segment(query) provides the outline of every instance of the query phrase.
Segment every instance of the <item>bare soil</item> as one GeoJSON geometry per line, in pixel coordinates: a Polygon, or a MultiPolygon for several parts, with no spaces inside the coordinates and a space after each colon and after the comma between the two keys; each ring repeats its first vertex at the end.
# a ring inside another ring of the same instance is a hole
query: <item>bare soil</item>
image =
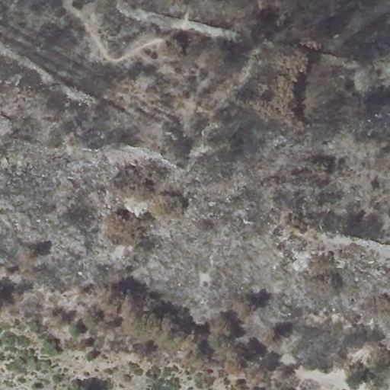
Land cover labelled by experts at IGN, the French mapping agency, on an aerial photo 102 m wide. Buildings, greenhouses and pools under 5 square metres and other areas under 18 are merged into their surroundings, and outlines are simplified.
{"type": "Polygon", "coordinates": [[[242,321],[244,335],[235,340],[238,343],[248,343],[256,338],[267,347],[268,352],[279,353],[282,358],[276,370],[282,372],[283,376],[296,372],[299,379],[312,379],[317,382],[320,390],[390,390],[390,0],[0,0],[0,309],[5,308],[14,303],[12,294],[21,296],[40,283],[38,291],[44,296],[43,306],[53,309],[64,308],[67,311],[84,314],[85,309],[79,306],[76,300],[79,291],[93,283],[97,265],[113,264],[114,268],[120,270],[125,265],[128,267],[129,261],[133,259],[133,245],[116,245],[108,241],[105,236],[107,216],[117,209],[126,209],[134,215],[149,212],[155,221],[142,222],[142,227],[148,230],[148,236],[161,236],[161,250],[152,248],[148,265],[134,270],[133,277],[114,282],[111,291],[123,291],[126,296],[131,297],[131,312],[136,320],[142,317],[168,318],[172,323],[168,335],[171,340],[175,337],[186,340],[187,335],[193,335],[193,343],[198,346],[198,358],[209,360],[213,356],[212,347],[209,346],[210,328],[206,321],[209,318],[216,320],[221,312],[227,312],[229,294],[232,296],[267,291],[271,292],[267,306],[257,308],[253,315],[242,321]],[[312,49],[317,49],[318,46],[329,49],[328,55],[321,55],[320,62],[312,64],[311,76],[306,79],[303,111],[308,119],[305,123],[297,120],[296,116],[292,117],[291,125],[274,119],[264,122],[253,108],[247,110],[227,101],[235,93],[241,101],[270,102],[274,96],[273,91],[257,93],[257,84],[276,84],[279,78],[274,73],[276,69],[271,69],[271,58],[294,55],[297,49],[289,47],[288,41],[294,40],[297,35],[302,40],[300,43],[305,46],[312,49]]]}

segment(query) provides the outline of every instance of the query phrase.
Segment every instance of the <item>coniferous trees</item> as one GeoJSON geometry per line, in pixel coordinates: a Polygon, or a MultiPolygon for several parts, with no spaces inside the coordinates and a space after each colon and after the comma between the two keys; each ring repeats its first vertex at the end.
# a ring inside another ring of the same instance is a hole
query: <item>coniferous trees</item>
{"type": "Polygon", "coordinates": [[[256,338],[248,343],[238,343],[235,340],[244,335],[242,321],[253,315],[257,308],[267,306],[271,292],[267,291],[232,296],[229,294],[227,312],[221,312],[216,320],[209,318],[206,321],[210,328],[209,346],[212,347],[213,356],[219,363],[227,364],[229,369],[235,370],[236,373],[247,369],[251,375],[257,376],[262,370],[276,370],[282,358],[279,353],[268,352],[267,347],[256,338]]]}
{"type": "Polygon", "coordinates": [[[46,341],[59,353],[66,350],[82,350],[88,361],[99,356],[105,361],[111,352],[146,356],[157,350],[158,335],[168,335],[172,323],[168,318],[142,317],[136,320],[131,312],[131,297],[126,296],[123,291],[111,291],[114,282],[133,277],[134,270],[148,265],[152,248],[161,250],[161,236],[148,236],[148,230],[142,227],[142,222],[155,221],[149,212],[134,215],[126,209],[117,209],[107,216],[105,236],[108,241],[116,245],[133,245],[133,259],[129,261],[128,267],[125,265],[120,270],[114,268],[113,264],[97,265],[93,283],[79,291],[76,300],[79,306],[85,309],[84,314],[67,311],[64,308],[53,309],[52,317],[66,323],[61,329],[52,329],[52,335],[46,341]]]}
{"type": "Polygon", "coordinates": [[[305,46],[300,43],[302,40],[297,35],[294,40],[288,41],[289,47],[297,49],[294,55],[271,58],[271,69],[276,69],[274,73],[279,78],[276,84],[257,84],[257,93],[273,91],[274,96],[270,102],[241,101],[235,93],[227,101],[247,110],[253,108],[264,122],[274,119],[291,125],[292,117],[296,116],[297,120],[305,123],[308,119],[303,111],[306,79],[311,76],[312,64],[320,62],[321,55],[328,55],[329,49],[318,46],[317,49],[312,49],[305,46]]]}

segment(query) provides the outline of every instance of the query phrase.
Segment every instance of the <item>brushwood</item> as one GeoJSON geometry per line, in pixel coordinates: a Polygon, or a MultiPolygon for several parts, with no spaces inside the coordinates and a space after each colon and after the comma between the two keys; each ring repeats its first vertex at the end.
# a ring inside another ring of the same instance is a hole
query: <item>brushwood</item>
{"type": "Polygon", "coordinates": [[[146,375],[148,387],[145,390],[183,390],[180,387],[180,379],[175,378],[177,367],[151,367],[146,375]]]}
{"type": "Polygon", "coordinates": [[[59,367],[59,353],[46,341],[52,335],[52,329],[61,329],[66,323],[52,317],[41,318],[41,314],[32,312],[26,312],[24,317],[11,315],[5,308],[0,309],[0,360],[9,360],[11,364],[6,366],[8,370],[15,370],[18,373],[50,373],[55,379],[53,388],[49,385],[49,379],[41,378],[32,390],[114,390],[111,381],[96,378],[73,379],[69,376],[69,370],[59,367]]]}

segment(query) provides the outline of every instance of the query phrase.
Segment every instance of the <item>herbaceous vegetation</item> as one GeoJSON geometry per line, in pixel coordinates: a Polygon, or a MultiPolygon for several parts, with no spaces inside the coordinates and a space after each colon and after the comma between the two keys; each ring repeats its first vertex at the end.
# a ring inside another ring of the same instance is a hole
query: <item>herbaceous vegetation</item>
{"type": "Polygon", "coordinates": [[[5,308],[11,315],[24,317],[26,312],[32,312],[41,314],[41,318],[52,317],[53,309],[43,306],[44,296],[38,291],[40,283],[21,296],[12,294],[14,303],[5,308]]]}
{"type": "Polygon", "coordinates": [[[49,385],[53,388],[55,379],[50,373],[18,373],[15,370],[8,370],[6,366],[11,364],[9,360],[0,360],[0,390],[32,390],[41,378],[49,379],[49,385]]]}
{"type": "Polygon", "coordinates": [[[236,373],[235,370],[229,369],[227,364],[219,363],[213,356],[209,360],[198,358],[198,346],[193,343],[193,335],[187,335],[186,340],[175,337],[171,340],[168,335],[158,335],[157,350],[146,356],[111,352],[105,361],[99,356],[88,361],[82,350],[66,350],[59,353],[59,367],[69,370],[69,376],[73,379],[96,378],[111,381],[114,390],[145,390],[148,387],[146,375],[151,367],[177,367],[175,378],[180,379],[180,387],[183,390],[320,390],[317,382],[312,379],[299,379],[296,372],[283,376],[282,372],[276,370],[262,370],[257,376],[251,375],[247,369],[236,373]]]}

